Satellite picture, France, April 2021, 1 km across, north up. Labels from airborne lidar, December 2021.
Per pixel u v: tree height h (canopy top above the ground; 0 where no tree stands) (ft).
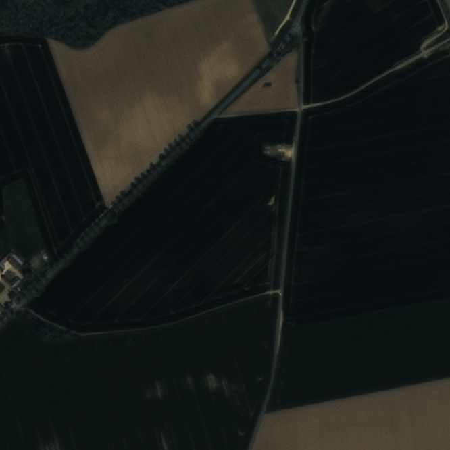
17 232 0
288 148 0
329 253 0
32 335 0
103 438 0
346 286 0
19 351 0
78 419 0
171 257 0
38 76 0
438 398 0
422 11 0
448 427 0
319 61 0
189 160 0
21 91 0
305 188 0
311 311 0
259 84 0
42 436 0
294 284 0
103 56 0
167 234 0
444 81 0
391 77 0
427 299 0
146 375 0
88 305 0
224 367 0
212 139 0
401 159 0
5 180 0
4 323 61
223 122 0
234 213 0
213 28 0
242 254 0
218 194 0
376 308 0
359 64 0
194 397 0
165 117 0
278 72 0
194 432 0
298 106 0
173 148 59
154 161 0
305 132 0
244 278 0
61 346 0
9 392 0
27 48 0
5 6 77
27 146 0
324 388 0
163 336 0
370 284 0
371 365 0
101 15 34
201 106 0
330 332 0
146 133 0
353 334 0
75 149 0
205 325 0
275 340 0
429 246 0
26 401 0
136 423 0
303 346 0
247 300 0
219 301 0
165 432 0
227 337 0
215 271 0
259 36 0
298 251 0
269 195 0
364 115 0
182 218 0
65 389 0
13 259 0
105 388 0
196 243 0
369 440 0
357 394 0
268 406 0
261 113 0
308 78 0
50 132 0
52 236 0
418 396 0
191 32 0
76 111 0
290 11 0
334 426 0
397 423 0
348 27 0
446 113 0
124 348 0
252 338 0
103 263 0
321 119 0
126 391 0
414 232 0
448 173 0
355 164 0
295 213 0
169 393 0
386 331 0
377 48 0
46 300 0
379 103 0
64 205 0
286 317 0
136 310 0
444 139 0
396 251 0
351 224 0
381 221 0
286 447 0
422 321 0
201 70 0
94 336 0
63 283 0
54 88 0
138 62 0
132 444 0
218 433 0
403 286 0
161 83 0
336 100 0
